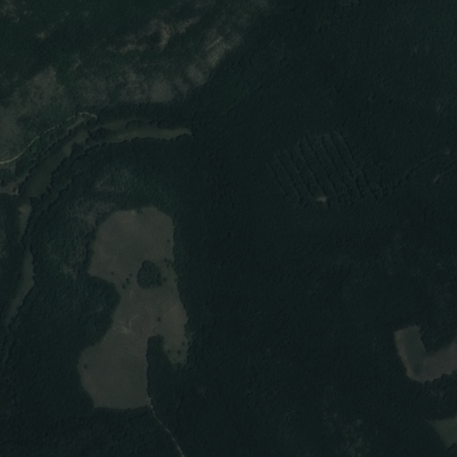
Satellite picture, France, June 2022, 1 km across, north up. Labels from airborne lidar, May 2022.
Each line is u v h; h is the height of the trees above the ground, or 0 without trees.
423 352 0
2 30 9
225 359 14
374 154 28
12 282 14
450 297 19
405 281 18
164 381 16
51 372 17
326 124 18
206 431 18
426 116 12
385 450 17
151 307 0
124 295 0
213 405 20
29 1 8
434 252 21
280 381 17
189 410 19
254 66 21
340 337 17
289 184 18
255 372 21
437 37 12
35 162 15
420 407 18
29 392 27
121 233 0
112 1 11
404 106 16
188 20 6
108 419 9
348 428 17
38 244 19
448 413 14
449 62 10
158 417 10
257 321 20
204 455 6
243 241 24
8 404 27
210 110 19
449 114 10
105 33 8
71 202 10
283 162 15
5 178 11
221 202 20
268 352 16
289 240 13
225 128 17
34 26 8
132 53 11
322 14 19
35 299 12
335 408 19
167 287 0
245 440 17
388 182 25
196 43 6
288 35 25
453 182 15
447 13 8
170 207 8
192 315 15
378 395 21
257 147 14
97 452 10
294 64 19
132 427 8
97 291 10
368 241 15
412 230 20
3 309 35
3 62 6
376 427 19
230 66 19
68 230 10
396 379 19
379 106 25
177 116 17
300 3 27
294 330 21
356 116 28
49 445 13
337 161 17
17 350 24
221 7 8
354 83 26
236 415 18
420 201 22
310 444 12
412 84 7
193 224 18
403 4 12
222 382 17
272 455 14
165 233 0
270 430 13
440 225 21
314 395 15
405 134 13
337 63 18
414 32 11
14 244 17
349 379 20
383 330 18
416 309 15
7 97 7
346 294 13
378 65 12
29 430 25
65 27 10
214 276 29
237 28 5
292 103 13
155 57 8
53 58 12
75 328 11
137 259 0
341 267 17
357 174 17
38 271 14
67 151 0
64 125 11
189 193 12
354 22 15
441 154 14
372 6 13
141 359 0
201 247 25
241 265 25
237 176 18
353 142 21
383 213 18
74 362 12
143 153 20
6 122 0
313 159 17
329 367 18
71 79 11
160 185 9
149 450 17
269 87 18
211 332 15
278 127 15
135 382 0
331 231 12
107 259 0
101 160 14
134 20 8
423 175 13
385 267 24
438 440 16
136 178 7
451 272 20
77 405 14
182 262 12
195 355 12
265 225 14
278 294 17
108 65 8
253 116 15
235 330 17
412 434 15
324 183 18
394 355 17
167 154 16
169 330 0
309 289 20
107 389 0
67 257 10
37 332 13
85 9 8
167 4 7
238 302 22
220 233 27
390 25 11
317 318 16
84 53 9
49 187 0
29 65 8
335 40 11
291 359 19
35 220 19
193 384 23
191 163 16
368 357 12
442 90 10
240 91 13
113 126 0
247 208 20
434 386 10
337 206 20
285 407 15
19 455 9
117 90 8
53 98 8
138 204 11
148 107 18
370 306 13
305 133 14
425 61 10
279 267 16
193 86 8
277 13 24
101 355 0
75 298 9
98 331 10
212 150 25
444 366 0
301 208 17
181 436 9
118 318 0
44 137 12
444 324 16
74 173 12
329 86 21
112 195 10
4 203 13
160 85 0
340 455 13
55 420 22
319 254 22
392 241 23
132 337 0
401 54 11
